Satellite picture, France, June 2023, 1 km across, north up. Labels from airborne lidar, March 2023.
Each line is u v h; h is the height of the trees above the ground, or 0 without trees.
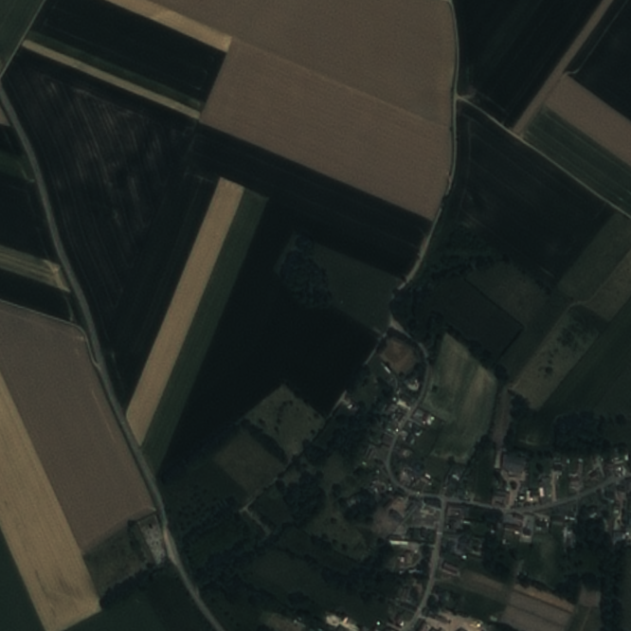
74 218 0
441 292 0
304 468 6
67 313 0
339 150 0
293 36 0
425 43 0
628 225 0
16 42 0
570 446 27
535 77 0
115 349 0
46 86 0
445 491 0
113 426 0
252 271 0
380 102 0
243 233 0
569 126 0
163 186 0
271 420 0
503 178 0
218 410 0
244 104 0
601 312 0
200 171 0
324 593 0
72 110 0
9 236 0
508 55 0
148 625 0
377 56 0
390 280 0
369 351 0
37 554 0
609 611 21
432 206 0
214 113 0
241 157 0
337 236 0
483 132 0
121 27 0
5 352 0
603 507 0
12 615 0
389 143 0
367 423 9
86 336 0
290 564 0
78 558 0
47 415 0
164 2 0
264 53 0
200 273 0
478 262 16
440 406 0
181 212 0
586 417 17
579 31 0
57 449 0
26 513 0
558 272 0
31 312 0
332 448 13
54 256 0
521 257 0
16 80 0
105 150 0
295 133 0
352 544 0
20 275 0
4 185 0
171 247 0
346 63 0
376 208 0
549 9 0
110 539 0
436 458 0
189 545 20
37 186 0
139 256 0
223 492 0
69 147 0
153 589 0
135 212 0
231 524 0
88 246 0
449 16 0
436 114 0
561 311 0
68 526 0
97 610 0
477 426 0
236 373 0
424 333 0
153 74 0
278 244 0
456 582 0
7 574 0
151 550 0
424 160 0
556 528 0
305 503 17
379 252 0
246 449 0
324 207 0
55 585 0
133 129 0
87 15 0
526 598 0
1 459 0
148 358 0
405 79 0
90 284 0
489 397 0
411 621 0
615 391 0
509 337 0
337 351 0
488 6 0
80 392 0
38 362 0
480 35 0
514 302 0
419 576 16
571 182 0
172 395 0
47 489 0
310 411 0
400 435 0
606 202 0
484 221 0
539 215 0
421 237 0
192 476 0
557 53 0
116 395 0
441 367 0
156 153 0
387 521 0
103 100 0
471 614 0
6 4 0
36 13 0
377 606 0
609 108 0
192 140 0
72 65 0
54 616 0
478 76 0
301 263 21
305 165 0
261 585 0
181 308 0
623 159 0
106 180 0
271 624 0
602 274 0
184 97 0
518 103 0
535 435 0
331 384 0
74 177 0
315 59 0
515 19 0
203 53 0
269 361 0
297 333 0
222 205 0
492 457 0
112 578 0
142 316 0
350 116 0
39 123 0
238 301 0
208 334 0
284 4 0
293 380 0
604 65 0
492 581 0
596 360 0
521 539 0
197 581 15
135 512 0
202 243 0
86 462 0
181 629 0
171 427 0
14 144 0
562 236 0
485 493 0
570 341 0
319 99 0
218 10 0
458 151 0
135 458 0
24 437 0
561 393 0
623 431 0
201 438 0
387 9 0
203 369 0
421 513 0
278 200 0
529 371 0
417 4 0
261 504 0
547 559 0
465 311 0
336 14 0
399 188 0
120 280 0
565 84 0
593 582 23
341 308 0
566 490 0
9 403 0
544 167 0
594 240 0
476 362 0
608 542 18
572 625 0
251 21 0
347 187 0
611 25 0
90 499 0
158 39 0
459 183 0
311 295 19
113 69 0
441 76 0
